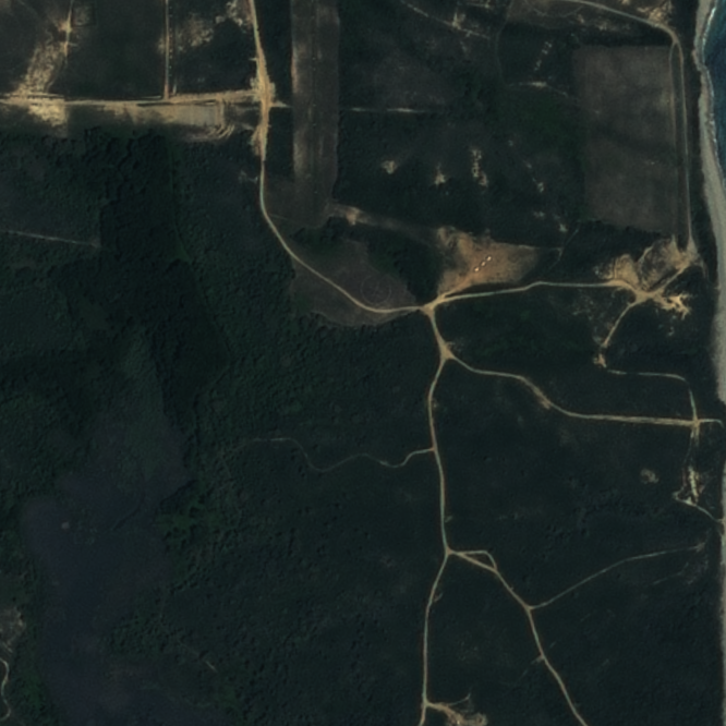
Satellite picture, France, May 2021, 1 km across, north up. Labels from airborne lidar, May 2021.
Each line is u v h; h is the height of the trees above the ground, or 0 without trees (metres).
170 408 13
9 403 13
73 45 0
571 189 0
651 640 5
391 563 7
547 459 6
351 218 0
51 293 10
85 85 0
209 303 6
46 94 0
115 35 0
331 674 6
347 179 7
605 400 0
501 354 5
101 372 7
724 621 0
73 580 0
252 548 7
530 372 0
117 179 18
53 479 10
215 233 7
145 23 0
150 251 20
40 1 0
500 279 0
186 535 17
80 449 7
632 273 0
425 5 0
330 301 0
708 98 0
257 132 0
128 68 0
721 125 0
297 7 0
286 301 6
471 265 0
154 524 8
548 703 7
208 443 11
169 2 0
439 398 6
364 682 9
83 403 12
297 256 0
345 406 6
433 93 0
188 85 0
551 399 0
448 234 0
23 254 9
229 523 8
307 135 0
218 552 6
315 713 7
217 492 15
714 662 7
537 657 0
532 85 0
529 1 0
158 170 17
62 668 0
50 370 11
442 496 0
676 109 0
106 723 0
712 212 0
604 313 0
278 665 13
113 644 11
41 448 10
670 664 8
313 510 12
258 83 0
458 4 0
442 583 0
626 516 6
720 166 0
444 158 0
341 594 9
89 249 8
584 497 7
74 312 14
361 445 8
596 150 0
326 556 11
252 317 6
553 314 0
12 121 0
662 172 0
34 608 8
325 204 0
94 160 23
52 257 13
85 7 0
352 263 0
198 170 7
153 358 12
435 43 0
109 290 12
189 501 20
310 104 0
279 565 8
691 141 0
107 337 9
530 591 5
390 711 7
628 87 0
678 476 0
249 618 10
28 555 6
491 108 7
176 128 0
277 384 9
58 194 10
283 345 6
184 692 8
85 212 8
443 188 9
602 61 0
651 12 0
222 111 0
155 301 21
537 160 0
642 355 10
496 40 0
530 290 0
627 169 0
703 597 7
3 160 7
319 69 0
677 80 0
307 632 8
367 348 7
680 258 0
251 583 6
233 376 7
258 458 7
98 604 0
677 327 0
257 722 12
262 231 7
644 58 0
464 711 0
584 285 0
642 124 0
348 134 6
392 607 8
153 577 0
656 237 8
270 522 10
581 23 0
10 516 10
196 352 21
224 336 8
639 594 0
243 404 10
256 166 6
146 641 7
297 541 14
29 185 9
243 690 14
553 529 10
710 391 7
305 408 7
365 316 0
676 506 6
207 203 7
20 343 7
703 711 8
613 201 0
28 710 7
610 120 0
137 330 7
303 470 9
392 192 6
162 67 0
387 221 0
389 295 0
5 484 8
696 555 0
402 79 0
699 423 0
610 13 0
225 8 0
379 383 7
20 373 17
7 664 0
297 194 0
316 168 0
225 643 6
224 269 7
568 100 0
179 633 10
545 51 0
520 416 0
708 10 0
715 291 0
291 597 6
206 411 12
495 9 0
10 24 0
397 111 0
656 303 0
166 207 17
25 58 0
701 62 0
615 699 9
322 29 0
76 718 0
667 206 0
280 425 6
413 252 5
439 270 0
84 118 0
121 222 23
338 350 8
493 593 5
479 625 0
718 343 0
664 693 8
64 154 11
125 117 0
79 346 15
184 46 0
